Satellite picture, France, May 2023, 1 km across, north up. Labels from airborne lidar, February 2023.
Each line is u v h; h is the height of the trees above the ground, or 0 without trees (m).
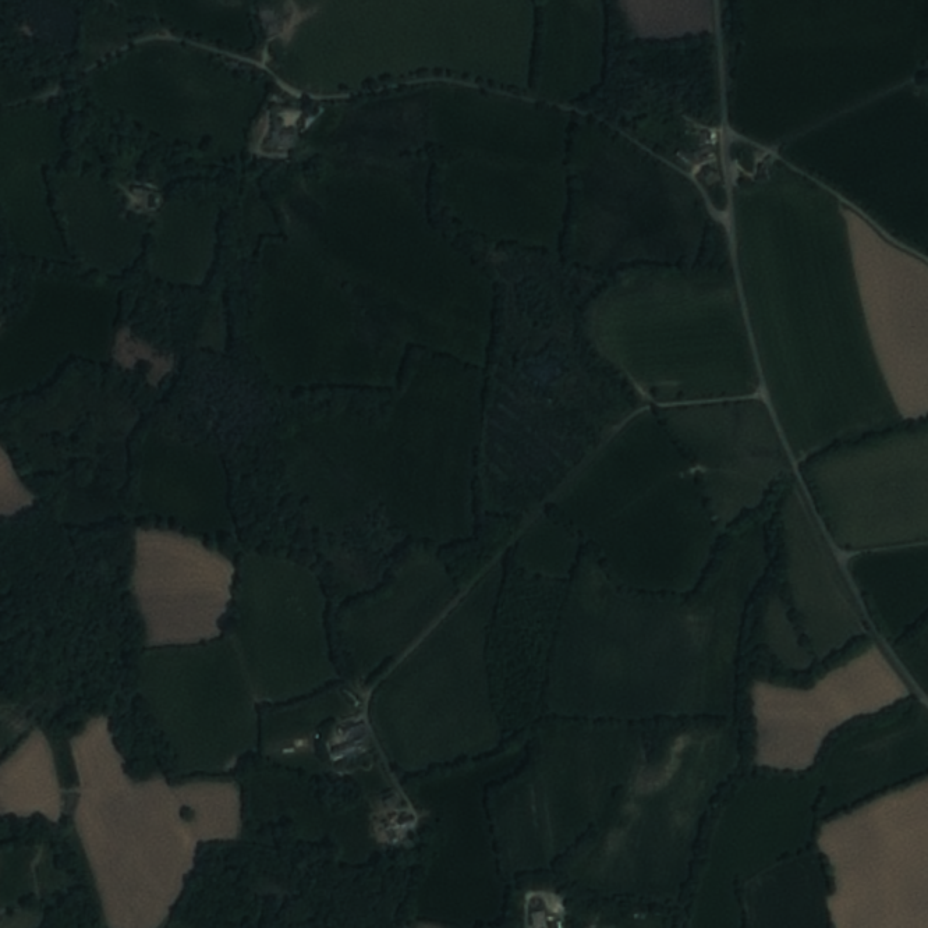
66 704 6
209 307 17
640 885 0
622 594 7
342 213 0
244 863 12
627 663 0
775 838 0
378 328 0
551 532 0
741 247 0
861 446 7
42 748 0
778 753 0
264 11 0
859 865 0
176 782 10
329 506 0
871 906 0
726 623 0
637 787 0
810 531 0
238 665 0
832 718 0
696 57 15
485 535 18
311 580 0
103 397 0
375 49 0
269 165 12
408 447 0
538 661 7
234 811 0
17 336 0
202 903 13
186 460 0
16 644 14
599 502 0
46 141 0
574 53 0
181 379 15
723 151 0
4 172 0
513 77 0
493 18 0
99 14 13
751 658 14
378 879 8
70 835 21
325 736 8
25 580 15
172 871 0
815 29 0
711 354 0
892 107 0
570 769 0
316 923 13
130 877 0
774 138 0
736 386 0
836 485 0
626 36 12
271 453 20
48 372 0
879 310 0
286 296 0
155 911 0
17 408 17
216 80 0
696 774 0
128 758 16
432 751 0
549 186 0
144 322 10
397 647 0
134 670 18
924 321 0
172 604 0
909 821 0
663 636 0
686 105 9
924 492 0
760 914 0
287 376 0
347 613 12
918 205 0
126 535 21
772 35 0
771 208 0
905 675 0
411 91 5
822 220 0
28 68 14
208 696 0
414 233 0
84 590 17
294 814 0
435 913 0
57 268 12
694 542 0
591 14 0
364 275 0
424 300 0
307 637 0
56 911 9
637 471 0
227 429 16
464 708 0
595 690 0
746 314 0
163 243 0
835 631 0
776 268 0
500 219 0
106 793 0
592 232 0
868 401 0
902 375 0
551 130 0
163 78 0
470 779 0
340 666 17
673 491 0
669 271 12
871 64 0
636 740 0
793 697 0
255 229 0
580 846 11
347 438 0
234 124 0
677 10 0
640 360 0
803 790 0
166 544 0
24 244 0
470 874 0
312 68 0
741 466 0
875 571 0
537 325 8
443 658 0
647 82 17
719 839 0
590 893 9
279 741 0
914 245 9
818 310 0
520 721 9
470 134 0
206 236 0
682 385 0
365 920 10
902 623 0
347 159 0
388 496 0
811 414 0
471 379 0
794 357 0
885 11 0
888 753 0
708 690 0
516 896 12
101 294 0
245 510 9
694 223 0
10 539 17
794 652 0
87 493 0
